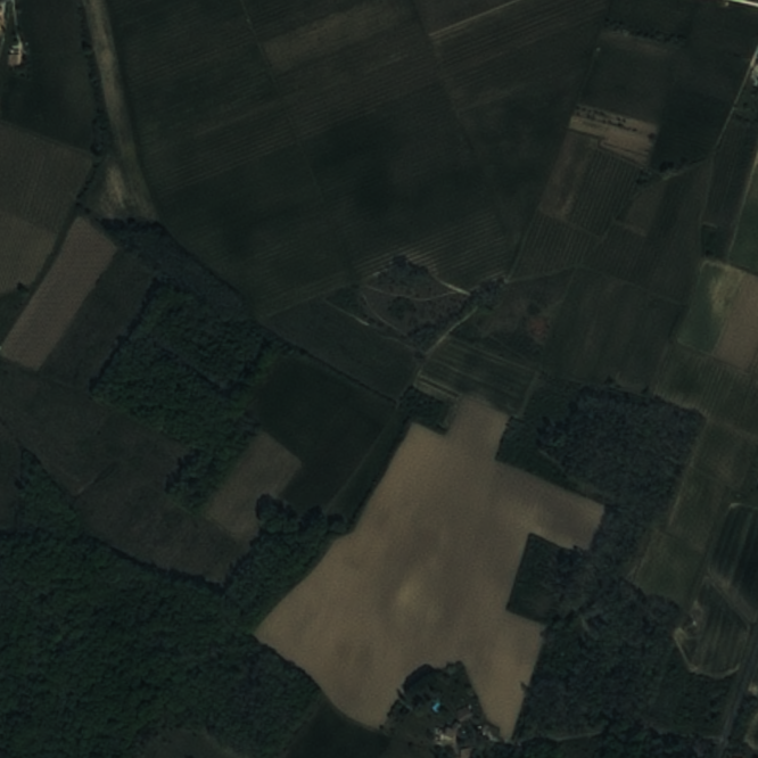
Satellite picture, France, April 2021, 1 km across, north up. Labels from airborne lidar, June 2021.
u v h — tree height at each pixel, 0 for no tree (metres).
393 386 0
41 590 20
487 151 0
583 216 0
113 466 0
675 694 13
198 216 0
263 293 0
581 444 19
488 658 0
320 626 0
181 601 22
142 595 18
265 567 22
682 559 0
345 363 0
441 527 0
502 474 0
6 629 20
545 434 14
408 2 0
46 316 0
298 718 18
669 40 6
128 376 20
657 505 22
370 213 0
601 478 19
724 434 0
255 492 0
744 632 0
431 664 0
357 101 0
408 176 0
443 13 0
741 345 0
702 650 0
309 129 0
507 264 0
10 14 8
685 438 16
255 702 18
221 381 11
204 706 18
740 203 0
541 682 15
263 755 20
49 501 18
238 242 0
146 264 22
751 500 0
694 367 0
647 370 0
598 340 0
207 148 0
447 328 14
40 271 0
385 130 0
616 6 0
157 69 0
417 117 0
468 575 0
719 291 0
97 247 0
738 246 0
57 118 0
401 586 0
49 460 0
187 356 13
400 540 0
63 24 0
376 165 0
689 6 0
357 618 0
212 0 0
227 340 11
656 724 18
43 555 25
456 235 0
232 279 0
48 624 18
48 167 0
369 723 0
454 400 0
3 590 23
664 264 0
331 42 0
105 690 25
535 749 16
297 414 0
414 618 0
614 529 20
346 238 0
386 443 0
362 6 0
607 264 0
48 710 19
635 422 17
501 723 0
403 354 0
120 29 0
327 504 0
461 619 0
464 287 0
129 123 0
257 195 0
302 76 0
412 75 0
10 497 0
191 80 0
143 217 0
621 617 18
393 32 0
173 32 0
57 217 0
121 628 26
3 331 0
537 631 0
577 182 0
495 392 0
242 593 23
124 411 11
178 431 18
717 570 0
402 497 0
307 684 17
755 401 0
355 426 0
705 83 0
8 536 15
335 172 0
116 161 0
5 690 26
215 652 19
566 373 0
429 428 6
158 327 9
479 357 0
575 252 0
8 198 0
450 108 0
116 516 0
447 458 0
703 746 16
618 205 0
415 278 16
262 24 0
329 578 0
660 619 14
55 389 0
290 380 0
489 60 0
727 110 0
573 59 0
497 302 14
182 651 18
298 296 0
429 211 0
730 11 0
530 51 0
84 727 18
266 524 12
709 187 0
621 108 0
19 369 0
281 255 0
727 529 0
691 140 0
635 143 0
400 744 0
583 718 22
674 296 0
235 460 16
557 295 0
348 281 0
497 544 0
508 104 0
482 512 0
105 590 20
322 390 0
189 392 23
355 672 0
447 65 0
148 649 23
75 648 20
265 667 17
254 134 0
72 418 0
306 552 23
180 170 0
